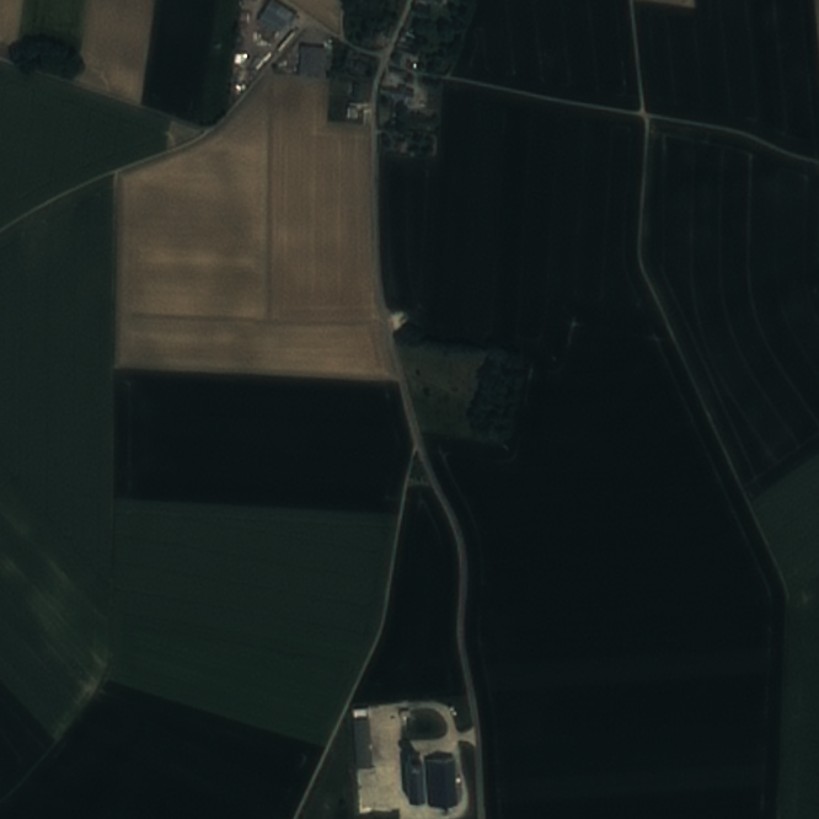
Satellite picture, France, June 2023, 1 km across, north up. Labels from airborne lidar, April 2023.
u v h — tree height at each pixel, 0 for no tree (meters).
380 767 0
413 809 0
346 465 0
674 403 0
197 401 0
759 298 0
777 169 0
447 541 0
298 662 0
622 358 0
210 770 0
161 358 0
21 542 0
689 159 0
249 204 0
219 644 0
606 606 0
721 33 0
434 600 0
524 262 0
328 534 0
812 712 0
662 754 0
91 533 0
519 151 0
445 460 0
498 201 0
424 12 13
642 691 0
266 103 0
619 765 0
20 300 0
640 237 0
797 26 0
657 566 0
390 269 0
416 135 10
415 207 0
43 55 23
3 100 0
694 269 0
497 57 0
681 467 0
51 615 0
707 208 0
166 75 0
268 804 0
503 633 0
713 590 0
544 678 0
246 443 0
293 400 0
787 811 0
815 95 0
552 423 0
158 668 0
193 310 0
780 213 0
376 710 0
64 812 0
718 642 0
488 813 0
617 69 0
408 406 0
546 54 0
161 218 0
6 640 0
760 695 0
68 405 0
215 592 0
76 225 0
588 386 0
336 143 0
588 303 0
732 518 0
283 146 0
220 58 0
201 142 0
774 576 0
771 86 0
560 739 0
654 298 0
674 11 0
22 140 0
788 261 0
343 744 0
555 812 0
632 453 0
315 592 0
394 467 0
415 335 14
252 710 0
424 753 0
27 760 0
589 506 0
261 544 0
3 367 0
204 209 0
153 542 0
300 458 0
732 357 0
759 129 0
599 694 0
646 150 0
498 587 0
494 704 0
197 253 0
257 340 0
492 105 0
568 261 0
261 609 0
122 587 0
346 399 0
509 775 0
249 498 0
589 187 0
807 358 0
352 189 0
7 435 0
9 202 0
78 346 0
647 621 0
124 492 0
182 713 0
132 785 0
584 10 0
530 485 0
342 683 0
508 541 0
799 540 0
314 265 0
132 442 0
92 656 0
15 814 0
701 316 0
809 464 0
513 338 0
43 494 0
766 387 0
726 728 0
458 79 0
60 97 0
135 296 0
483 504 0
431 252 0
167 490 0
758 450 0
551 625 0
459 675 0
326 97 0
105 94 0
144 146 0
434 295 0
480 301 0
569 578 0
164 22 0
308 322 0
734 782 0
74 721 0
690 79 0
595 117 0
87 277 0
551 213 0
